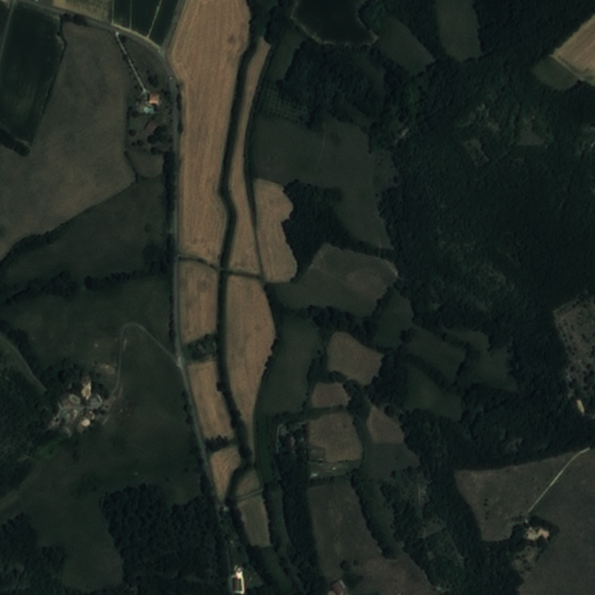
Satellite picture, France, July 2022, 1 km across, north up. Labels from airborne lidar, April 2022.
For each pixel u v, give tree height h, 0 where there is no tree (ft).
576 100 66
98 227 0
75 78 0
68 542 0
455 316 72
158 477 0
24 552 47
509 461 38
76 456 24
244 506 0
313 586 61
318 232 57
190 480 0
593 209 33
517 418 55
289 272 0
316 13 0
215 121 0
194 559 35
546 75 0
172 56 0
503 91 32
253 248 0
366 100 59
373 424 0
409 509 33
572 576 0
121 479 0
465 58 0
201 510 58
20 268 0
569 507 0
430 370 32
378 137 22
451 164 32
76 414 0
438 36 28
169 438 0
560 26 62
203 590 65
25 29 0
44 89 0
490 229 31
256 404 0
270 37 59
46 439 48
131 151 0
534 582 0
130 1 0
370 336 60
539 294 46
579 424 44
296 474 64
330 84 78
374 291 0
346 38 0
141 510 79
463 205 33
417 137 51
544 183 41
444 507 28
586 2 52
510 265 37
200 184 0
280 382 0
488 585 33
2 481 40
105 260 0
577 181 37
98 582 0
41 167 0
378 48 27
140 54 0
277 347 29
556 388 43
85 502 0
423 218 38
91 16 0
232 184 0
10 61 0
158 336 0
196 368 0
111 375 0
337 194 34
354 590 0
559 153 47
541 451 37
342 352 0
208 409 0
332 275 0
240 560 0
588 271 45
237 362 0
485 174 32
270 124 0
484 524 0
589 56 0
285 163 0
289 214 0
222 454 0
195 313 0
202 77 0
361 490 31
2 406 29
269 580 78
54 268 0
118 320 0
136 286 0
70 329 0
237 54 0
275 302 31
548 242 41
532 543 49
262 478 0
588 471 0
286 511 45
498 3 46
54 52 0
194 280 0
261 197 0
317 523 0
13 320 0
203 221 0
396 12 37
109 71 0
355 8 0
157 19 0
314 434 0
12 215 0
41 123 0
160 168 0
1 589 21
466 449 57
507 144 28
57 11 0
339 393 0
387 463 0
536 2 66
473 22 0
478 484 0
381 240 0
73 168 0
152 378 0
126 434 0
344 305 0
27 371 0
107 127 0
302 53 61
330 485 0
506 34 67
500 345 47
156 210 0
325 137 0
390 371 54
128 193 0
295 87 75
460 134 31
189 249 0
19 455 29
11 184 0
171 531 43
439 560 26
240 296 0
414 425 50
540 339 24
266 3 0
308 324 0
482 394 72
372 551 0
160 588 65
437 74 59
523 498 0
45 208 0
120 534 73
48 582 30
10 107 0
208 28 0
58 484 0
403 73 85
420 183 30
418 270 47
